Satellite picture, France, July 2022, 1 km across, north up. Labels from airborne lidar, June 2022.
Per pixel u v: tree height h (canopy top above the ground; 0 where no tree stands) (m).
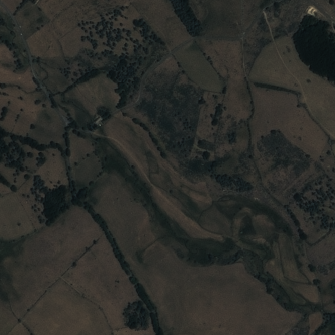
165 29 0
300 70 0
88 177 0
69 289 0
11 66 0
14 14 6
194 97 0
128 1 0
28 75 0
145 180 0
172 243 0
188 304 0
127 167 0
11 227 0
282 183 0
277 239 0
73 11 0
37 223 0
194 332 0
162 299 0
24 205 0
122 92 10
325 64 20
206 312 0
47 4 0
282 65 0
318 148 0
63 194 8
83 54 0
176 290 0
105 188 0
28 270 0
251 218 0
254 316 0
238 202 0
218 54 0
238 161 0
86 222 0
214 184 0
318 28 25
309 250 0
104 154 0
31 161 0
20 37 0
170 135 0
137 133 0
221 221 0
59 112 0
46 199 10
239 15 0
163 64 0
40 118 0
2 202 0
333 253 0
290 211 10
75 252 0
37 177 16
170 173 0
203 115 0
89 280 0
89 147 0
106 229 12
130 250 0
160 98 0
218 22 0
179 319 0
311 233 0
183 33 0
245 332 0
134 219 0
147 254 0
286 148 0
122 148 0
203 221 0
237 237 0
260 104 0
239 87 0
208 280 0
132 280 14
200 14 0
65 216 0
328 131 0
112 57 0
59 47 0
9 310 0
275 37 0
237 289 0
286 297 0
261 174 0
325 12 0
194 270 0
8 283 0
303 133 0
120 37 13
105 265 0
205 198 0
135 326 17
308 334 0
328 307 0
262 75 0
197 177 0
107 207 0
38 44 0
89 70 11
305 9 0
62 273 0
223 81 0
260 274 6
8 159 14
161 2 0
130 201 0
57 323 0
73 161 0
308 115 0
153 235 0
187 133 0
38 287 0
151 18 0
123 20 0
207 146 0
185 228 0
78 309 0
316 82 0
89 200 0
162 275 0
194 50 0
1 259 0
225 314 0
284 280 0
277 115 0
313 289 0
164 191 0
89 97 0
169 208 0
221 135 0
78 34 0
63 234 0
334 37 15
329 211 0
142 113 0
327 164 0
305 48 18
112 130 0
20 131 0
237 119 0
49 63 0
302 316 0
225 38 0
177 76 0
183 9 16
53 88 0
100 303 0
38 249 0
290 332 0
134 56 0
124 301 0
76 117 0
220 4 0
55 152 0
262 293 0
